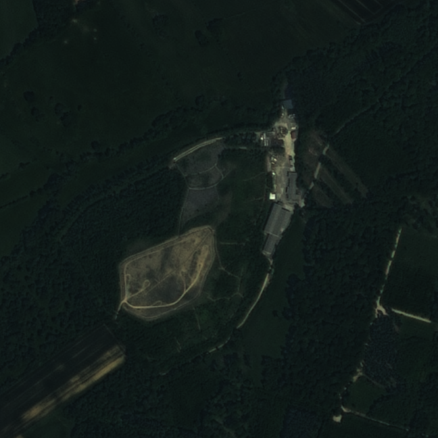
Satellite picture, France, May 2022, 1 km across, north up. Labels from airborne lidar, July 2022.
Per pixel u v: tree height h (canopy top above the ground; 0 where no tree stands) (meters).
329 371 20
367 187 15
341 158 19
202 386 8
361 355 23
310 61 18
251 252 10
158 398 19
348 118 14
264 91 0
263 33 0
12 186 0
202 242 0
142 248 0
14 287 13
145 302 0
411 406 13
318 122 11
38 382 0
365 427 12
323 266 25
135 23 0
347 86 14
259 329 0
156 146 0
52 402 0
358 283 25
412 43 24
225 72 0
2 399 0
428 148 21
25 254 23
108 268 12
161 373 15
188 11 0
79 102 0
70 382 0
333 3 0
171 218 12
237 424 33
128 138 0
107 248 12
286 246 0
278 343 0
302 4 0
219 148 0
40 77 0
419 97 24
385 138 12
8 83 0
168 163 11
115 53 0
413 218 25
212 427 24
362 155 11
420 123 26
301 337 24
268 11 0
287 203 0
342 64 16
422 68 25
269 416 10
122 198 17
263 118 12
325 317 25
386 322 24
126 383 24
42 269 10
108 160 8
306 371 27
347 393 15
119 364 0
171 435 21
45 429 0
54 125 0
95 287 17
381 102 25
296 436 18
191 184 0
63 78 0
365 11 0
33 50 0
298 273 0
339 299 28
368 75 23
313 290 26
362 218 23
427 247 0
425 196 26
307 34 0
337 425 12
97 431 19
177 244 0
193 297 0
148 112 0
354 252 24
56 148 0
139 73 0
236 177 0
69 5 27
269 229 0
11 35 0
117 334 18
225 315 6
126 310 0
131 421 22
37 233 22
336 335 24
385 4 0
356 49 18
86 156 18
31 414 0
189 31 0
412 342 11
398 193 24
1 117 0
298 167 19
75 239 17
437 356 19
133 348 21
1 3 0
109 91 0
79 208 21
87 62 0
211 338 7
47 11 28
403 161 11
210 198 0
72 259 19
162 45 0
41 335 17
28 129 0
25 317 6
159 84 0
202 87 0
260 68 0
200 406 6
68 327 13
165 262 0
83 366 0
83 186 0
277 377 14
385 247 21
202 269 0
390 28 25
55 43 0
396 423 16
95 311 24
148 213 15
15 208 0
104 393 24
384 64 26
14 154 0
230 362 24
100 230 12
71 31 0
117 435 19
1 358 19
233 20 0
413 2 0
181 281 0
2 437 0
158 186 10
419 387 10
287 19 0
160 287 0
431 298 6
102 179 0
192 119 8
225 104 16
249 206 0
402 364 16
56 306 10
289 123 0
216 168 0
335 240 27
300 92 32
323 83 35
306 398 24
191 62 0
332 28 0
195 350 8
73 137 0
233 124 0
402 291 6
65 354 0
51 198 8
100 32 0
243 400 27
